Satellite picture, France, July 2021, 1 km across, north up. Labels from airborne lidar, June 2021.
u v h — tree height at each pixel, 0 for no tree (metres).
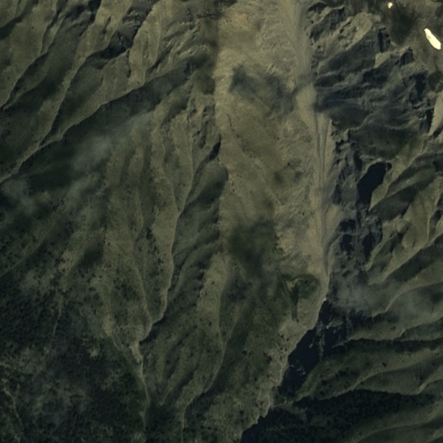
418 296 0
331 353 13
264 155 0
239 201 0
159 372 0
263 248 0
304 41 0
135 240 0
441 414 0
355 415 12
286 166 0
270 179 0
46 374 7
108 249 0
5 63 0
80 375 10
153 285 0
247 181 0
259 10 0
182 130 0
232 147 0
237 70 0
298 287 0
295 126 0
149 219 0
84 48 0
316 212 0
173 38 0
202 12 0
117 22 0
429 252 0
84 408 12
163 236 0
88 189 0
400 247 0
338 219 0
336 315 6
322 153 0
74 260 0
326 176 0
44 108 0
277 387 0
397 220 0
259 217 0
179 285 0
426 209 0
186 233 0
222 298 0
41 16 0
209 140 0
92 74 0
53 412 8
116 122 0
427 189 0
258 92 0
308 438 17
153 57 0
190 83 0
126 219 0
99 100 0
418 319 0
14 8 0
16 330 8
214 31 0
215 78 0
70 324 8
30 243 0
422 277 0
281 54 0
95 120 0
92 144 0
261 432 7
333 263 0
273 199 0
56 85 0
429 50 0
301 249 0
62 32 0
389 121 0
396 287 0
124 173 0
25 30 0
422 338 0
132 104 0
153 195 0
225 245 0
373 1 0
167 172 0
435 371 0
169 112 0
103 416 10
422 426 0
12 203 0
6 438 11
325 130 0
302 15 0
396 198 0
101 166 0
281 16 0
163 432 11
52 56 0
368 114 0
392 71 0
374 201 0
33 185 0
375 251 0
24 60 0
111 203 0
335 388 0
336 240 0
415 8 0
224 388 0
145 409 0
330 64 0
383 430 0
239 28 0
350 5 0
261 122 0
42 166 0
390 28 0
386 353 0
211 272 0
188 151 0
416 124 0
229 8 0
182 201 0
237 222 0
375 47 0
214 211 0
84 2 0
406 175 0
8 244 7
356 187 0
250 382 10
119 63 0
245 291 0
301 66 0
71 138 0
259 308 0
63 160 0
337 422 13
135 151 0
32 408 7
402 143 0
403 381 0
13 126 0
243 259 0
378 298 0
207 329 0
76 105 0
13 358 7
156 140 0
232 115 0
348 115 0
